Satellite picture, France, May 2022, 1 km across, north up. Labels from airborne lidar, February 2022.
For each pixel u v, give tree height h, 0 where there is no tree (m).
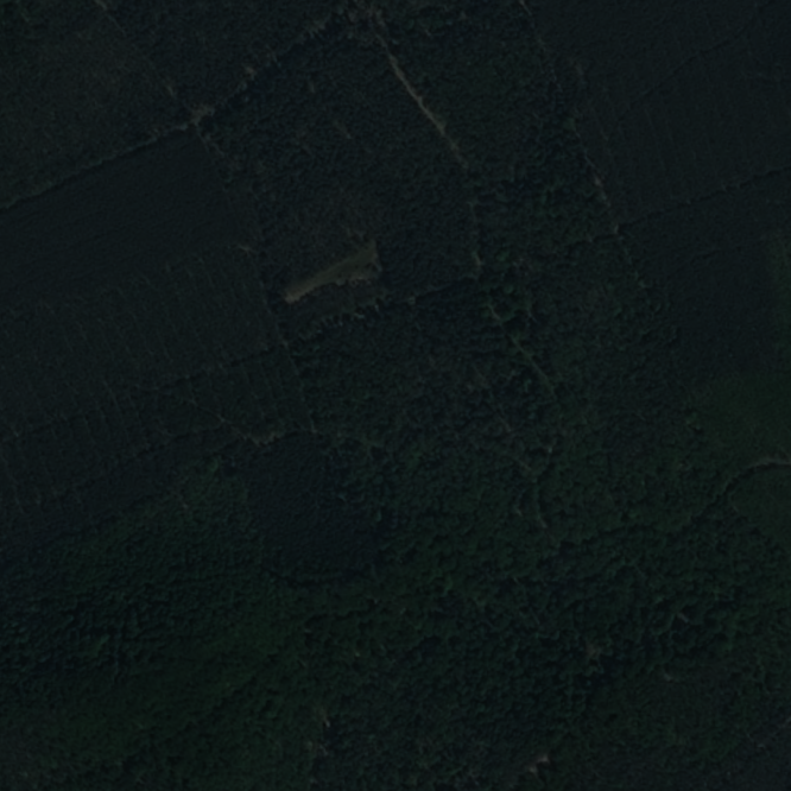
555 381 13
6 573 28
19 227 14
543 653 31
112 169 15
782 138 15
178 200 15
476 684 30
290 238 23
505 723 30
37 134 22
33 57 24
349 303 18
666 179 15
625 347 28
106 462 18
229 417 16
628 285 28
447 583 25
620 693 26
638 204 17
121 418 15
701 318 18
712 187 18
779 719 21
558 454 30
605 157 16
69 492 20
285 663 33
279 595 29
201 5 22
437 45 29
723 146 17
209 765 33
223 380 17
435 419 33
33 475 15
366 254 0
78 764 21
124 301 19
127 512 23
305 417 16
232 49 23
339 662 8
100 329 16
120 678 25
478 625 22
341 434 24
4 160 21
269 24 21
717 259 17
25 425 17
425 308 10
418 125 28
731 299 18
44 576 27
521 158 31
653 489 33
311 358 26
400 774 24
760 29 16
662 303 18
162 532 33
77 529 17
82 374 16
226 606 28
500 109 30
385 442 28
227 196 15
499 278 25
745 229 17
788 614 27
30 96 25
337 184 28
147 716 27
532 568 28
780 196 16
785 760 21
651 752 23
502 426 20
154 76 21
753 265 19
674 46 15
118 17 26
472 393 35
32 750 23
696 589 29
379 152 31
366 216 25
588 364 29
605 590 19
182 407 16
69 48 22
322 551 14
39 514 18
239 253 15
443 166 26
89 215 14
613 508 28
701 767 21
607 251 27
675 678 16
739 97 16
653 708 24
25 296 15
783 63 15
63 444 15
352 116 29
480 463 28
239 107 31
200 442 17
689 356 16
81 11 24
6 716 24
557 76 15
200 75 23
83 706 26
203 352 17
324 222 25
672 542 33
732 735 26
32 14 27
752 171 14
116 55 21
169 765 32
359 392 29
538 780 25
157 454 19
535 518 31
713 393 0
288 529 13
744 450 0
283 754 29
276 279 15
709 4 16
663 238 17
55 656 30
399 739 29
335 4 24
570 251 29
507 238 22
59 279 16
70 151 23
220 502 28
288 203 26
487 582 34
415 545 32
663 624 31
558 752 28
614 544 27
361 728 27
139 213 15
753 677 24
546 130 17
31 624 29
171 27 21
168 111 24
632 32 17
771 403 0
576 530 27
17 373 16
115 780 30
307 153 27
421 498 31
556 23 14
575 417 30
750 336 20
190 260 14
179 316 19
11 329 13
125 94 23
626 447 25
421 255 24
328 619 34
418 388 26
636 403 28
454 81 29
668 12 15
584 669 34
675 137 15
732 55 16
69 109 22
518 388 8
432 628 30
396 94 30
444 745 28
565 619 29
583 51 16
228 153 25
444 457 28
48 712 19
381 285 17
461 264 26
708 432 0
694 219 17
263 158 25
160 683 27
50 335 17
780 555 30
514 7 27
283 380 16
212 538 30
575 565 26
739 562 31
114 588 32
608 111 16
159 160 16
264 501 13
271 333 19
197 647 22
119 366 15
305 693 31
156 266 14
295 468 12
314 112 28
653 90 18
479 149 24
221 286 17
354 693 31
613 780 25
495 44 30
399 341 29
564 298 28
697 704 20
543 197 18
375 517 14
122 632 33
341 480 14
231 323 18
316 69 27
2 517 18
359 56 27
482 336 32
